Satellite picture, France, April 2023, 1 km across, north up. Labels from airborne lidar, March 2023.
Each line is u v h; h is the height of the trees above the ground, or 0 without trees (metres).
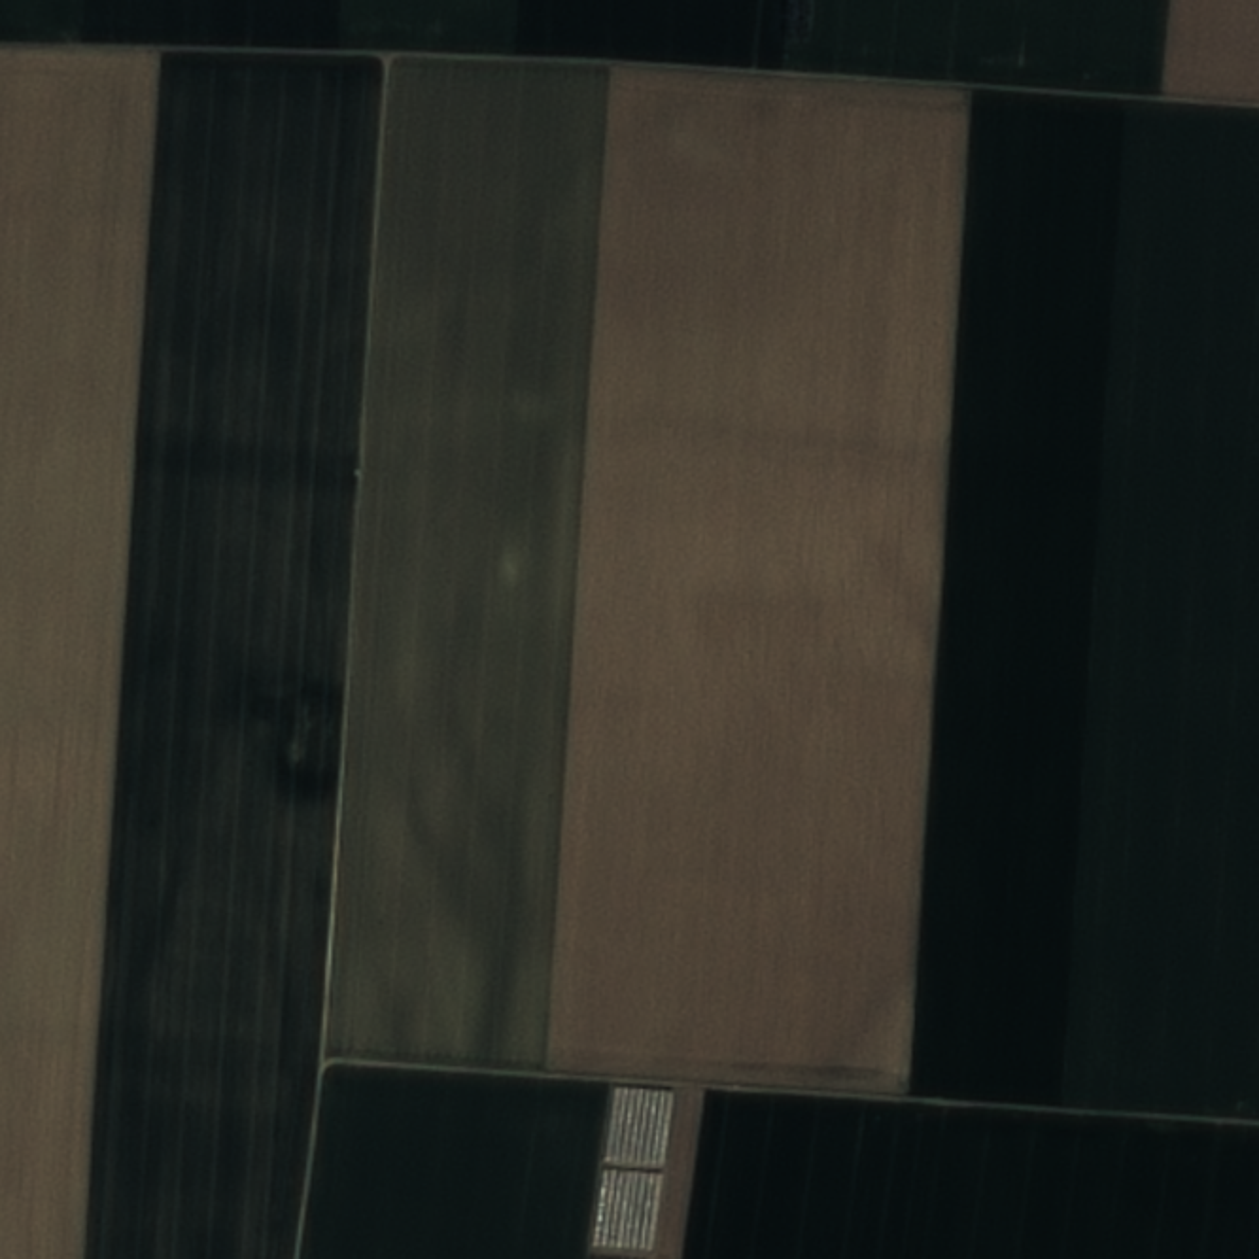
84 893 0
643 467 0
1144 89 0
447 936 0
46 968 0
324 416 0
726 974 0
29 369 0
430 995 0
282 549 0
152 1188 0
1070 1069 0
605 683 0
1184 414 0
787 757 0
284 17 0
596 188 0
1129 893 0
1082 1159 0
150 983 0
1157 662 0
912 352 0
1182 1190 0
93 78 0
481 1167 0
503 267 0
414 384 0
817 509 0
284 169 0
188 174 0
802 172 0
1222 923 0
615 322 0
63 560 0
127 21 0
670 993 0
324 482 0
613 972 0
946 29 0
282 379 0
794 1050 0
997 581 0
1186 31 0
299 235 0
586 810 0
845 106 0
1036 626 0
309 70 0
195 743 0
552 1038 0
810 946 0
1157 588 0
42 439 0
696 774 0
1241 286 0
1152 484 0
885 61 0
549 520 0
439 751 0
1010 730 0
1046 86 0
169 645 0
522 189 0
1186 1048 0
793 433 0
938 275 0
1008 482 0
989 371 0
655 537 0
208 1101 0
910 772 0
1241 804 0
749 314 0
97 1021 0
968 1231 0
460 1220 0
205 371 0
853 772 0
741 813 0
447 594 0
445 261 0
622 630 0
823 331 0
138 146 0
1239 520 0
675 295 0
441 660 0
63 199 0
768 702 0
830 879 0
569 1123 0
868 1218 0
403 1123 0
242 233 0
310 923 0
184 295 0
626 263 0
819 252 0
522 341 0
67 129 0
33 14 0
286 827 0
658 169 0
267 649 0
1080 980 0
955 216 0
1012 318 0
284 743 0
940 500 0
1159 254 0
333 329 0
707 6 0
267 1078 0
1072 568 0
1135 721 0
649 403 0
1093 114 0
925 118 0
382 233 0
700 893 0
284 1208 0
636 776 0
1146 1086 0
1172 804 0
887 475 0
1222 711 0
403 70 0
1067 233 0
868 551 0
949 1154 0
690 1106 0
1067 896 0
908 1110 0
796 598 0
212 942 0
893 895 0
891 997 0
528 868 0
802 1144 0
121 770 0
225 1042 0
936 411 0
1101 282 0
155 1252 0
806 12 10
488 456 0
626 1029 0
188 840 0
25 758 0
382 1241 0
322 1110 0
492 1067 0
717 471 0
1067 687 0
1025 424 0
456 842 0
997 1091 0
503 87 0
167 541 0
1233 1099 0
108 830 0
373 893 0
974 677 0
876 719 0
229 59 0
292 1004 0
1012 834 0
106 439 0
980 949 0
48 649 0
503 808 0
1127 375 0
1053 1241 0
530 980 0
